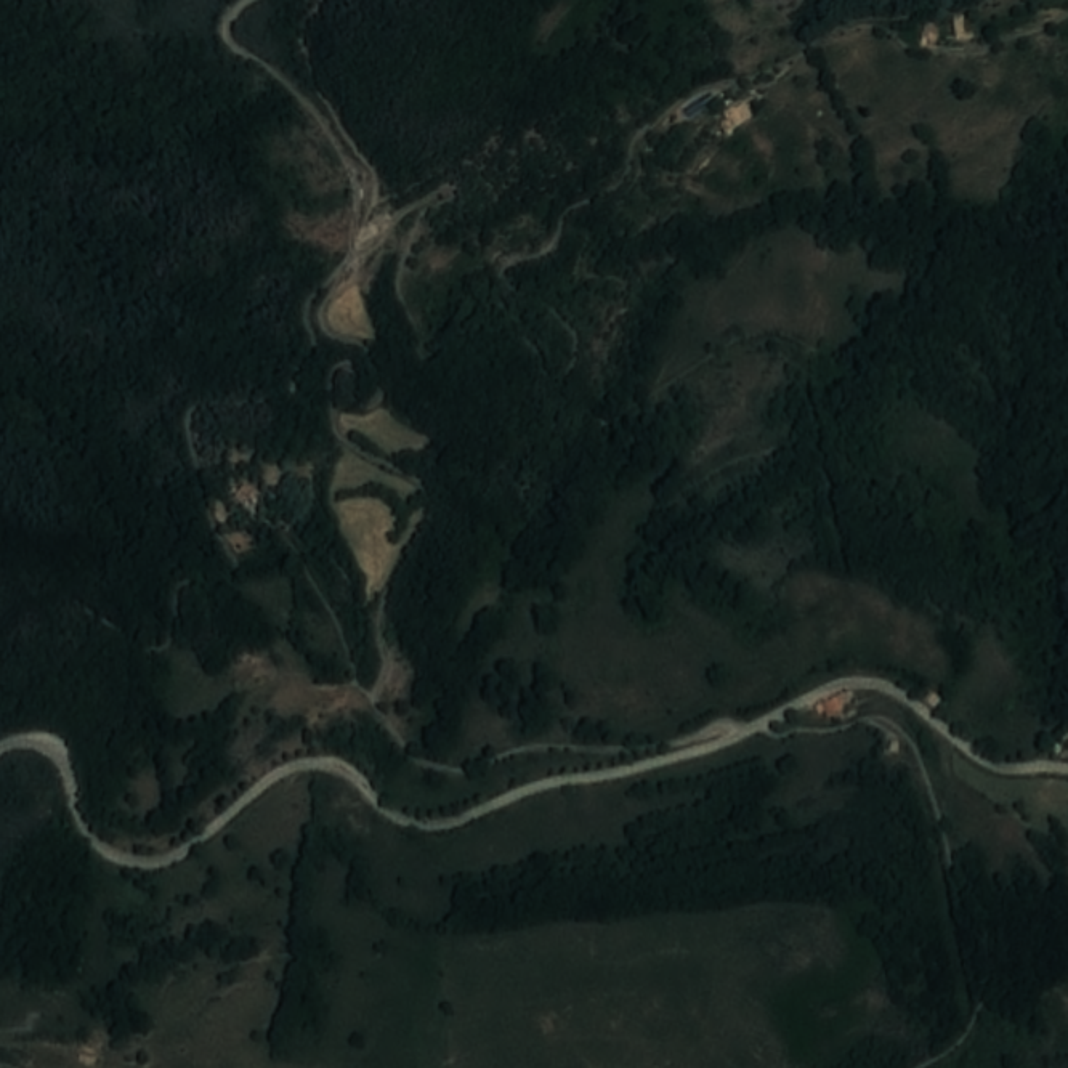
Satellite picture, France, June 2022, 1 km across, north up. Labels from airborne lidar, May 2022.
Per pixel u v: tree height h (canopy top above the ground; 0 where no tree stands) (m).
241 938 12
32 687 14
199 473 13
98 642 8
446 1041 0
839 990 0
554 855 9
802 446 18
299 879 16
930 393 16
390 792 13
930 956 12
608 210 10
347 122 10
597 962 0
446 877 11
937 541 20
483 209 8
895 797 6
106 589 24
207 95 15
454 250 0
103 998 9
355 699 0
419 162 9
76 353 14
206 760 7
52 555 23
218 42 8
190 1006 0
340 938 0
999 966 13
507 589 20
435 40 13
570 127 15
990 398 17
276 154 0
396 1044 0
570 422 19
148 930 8
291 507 13
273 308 16
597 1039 0
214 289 13
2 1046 0
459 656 26
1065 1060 7
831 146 12
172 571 6
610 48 14
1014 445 29
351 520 0
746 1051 0
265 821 0
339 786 0
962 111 0
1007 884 13
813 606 0
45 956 13
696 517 11
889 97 0
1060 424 16
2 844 0
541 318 17
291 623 7
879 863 10
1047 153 9
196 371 17
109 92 15
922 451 0
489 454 16
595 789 0
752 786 19
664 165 13
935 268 20
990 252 36
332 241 0
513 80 17
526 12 19
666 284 13
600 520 17
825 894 8
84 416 16
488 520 17
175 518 11
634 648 0
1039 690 6
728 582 9
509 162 10
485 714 0
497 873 10
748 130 0
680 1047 0
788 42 0
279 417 12
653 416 12
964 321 16
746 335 10
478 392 18
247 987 0
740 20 0
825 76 14
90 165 13
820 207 19
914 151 10
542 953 0
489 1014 0
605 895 15
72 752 9
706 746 0
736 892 12
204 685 0
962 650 8
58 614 13
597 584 0
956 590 14
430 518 15
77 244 18
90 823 10
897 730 0
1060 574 17
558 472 27
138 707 19
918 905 13
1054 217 24
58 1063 0
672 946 0
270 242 9
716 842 12
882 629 0
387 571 0
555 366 18
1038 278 17
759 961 0
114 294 26
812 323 0
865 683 0
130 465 13
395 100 14
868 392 20
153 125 18
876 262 17
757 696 0
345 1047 0
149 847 8
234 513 8
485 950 0
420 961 0
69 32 8
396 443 0
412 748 17
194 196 14
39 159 15
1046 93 0
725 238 23
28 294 17
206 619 8
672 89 14
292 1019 14
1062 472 16
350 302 0
